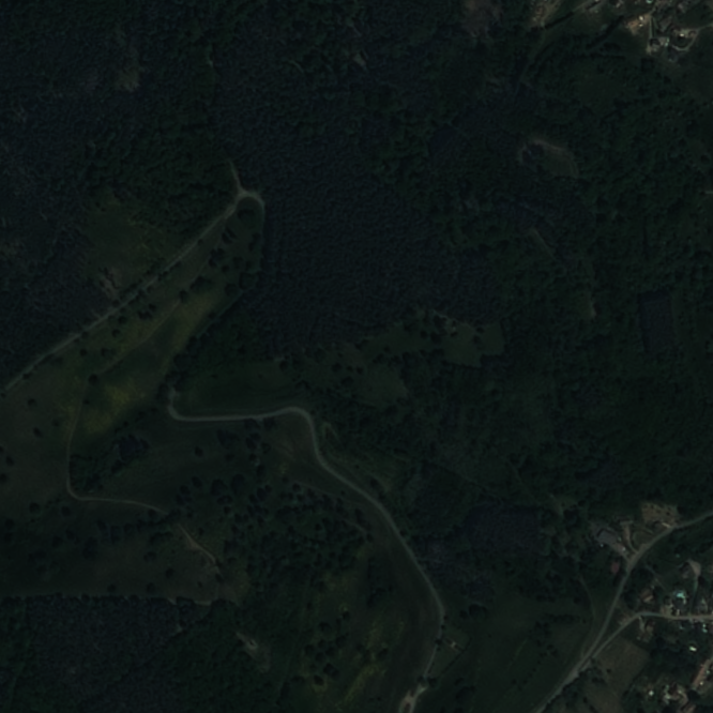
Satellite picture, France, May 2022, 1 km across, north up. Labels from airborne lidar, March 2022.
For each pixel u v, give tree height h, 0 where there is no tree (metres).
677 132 7
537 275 13
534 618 0
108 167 22
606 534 0
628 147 9
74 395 0
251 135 30
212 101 27
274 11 25
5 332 21
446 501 18
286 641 7
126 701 23
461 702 14
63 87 22
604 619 0
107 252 0
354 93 30
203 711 13
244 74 29
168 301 0
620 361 9
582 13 0
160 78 22
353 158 29
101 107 23
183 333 0
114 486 0
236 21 9
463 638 0
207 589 0
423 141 10
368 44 30
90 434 0
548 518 17
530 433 18
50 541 0
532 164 19
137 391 0
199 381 0
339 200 31
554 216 25
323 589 12
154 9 23
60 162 21
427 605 0
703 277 16
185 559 0
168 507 0
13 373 15
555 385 13
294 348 22
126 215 0
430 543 23
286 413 0
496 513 34
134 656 22
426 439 15
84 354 13
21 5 18
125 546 0
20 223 16
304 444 0
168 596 0
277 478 0
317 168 32
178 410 0
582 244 8
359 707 0
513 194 11
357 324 20
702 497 7
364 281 24
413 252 31
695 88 0
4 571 0
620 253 9
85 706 26
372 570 13
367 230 24
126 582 0
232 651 16
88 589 0
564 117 12
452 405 25
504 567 8
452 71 24
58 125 23
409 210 27
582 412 17
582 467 24
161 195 11
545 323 18
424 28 16
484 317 25
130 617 18
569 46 15
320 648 9
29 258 19
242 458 0
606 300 10
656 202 14
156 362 0
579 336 10
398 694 0
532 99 25
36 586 0
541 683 0
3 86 20
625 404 10
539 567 15
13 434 0
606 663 0
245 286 15
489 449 16
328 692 0
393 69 33
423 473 20
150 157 19
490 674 0
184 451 0
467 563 26
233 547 13
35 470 0
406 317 21
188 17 29
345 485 0
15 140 27
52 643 21
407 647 0
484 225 17
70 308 23
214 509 0
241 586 0
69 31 24
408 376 26
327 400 7
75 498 0
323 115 26
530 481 10
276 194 23
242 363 22
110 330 0
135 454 14
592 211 8
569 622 7
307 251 28
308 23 24
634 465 10
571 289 16
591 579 10
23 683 21
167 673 23
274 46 26
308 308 23
